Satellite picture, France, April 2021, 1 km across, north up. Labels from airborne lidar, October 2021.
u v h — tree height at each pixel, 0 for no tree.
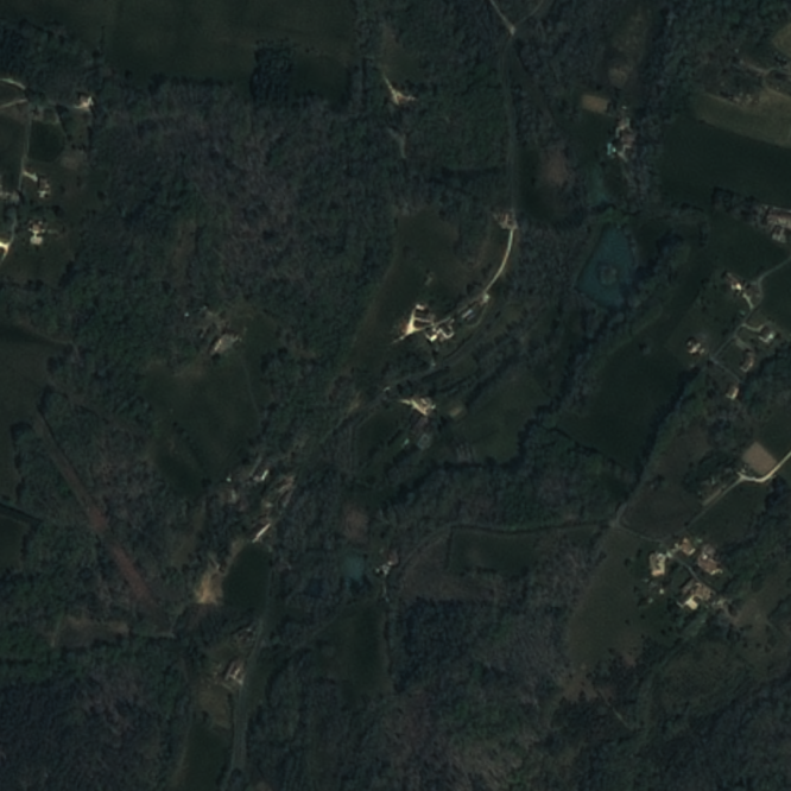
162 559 26
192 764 0
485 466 8
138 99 18
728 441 20
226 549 19
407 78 0
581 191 15
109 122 21
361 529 0
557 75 22
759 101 0
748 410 16
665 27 8
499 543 0
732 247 0
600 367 9
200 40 0
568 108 18
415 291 0
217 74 0
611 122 0
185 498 13
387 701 9
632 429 0
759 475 0
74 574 21
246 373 0
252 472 14
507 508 15
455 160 19
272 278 20
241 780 21
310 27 0
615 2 21
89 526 18
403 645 7
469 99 19
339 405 20
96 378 10
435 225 0
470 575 15
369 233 30
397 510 21
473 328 0
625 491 0
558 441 17
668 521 0
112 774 25
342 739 21
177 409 0
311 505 25
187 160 17
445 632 18
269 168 10
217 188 16
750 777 27
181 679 24
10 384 0
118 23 0
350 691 0
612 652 7
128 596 6
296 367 23
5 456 0
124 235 6
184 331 15
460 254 16
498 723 18
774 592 0
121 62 0
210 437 0
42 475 18
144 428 26
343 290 25
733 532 0
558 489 19
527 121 22
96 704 7
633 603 0
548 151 9
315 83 0
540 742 14
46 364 0
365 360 0
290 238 15
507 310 0
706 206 0
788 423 0
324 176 19
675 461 0
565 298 21
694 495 0
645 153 19
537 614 17
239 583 0
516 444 0
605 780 25
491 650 19
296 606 17
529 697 17
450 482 14
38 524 15
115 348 30
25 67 12
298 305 23
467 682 15
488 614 18
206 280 19
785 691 16
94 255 6
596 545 13
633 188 22
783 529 24
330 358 25
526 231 24
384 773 10
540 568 8
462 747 18
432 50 15
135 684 12
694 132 0
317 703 27
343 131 22
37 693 21
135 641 22
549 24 9
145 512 20
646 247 0
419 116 15
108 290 25
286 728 17
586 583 16
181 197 11
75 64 9
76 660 23
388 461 0
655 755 6
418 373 19
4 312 19
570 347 0
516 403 0
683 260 23
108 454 15
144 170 10
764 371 13
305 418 19
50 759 19
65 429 13
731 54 0
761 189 0
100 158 10
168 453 0
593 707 6
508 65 0
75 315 12
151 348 27
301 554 16
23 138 0
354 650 0
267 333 0
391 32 13
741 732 20
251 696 0
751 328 0
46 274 0
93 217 9
